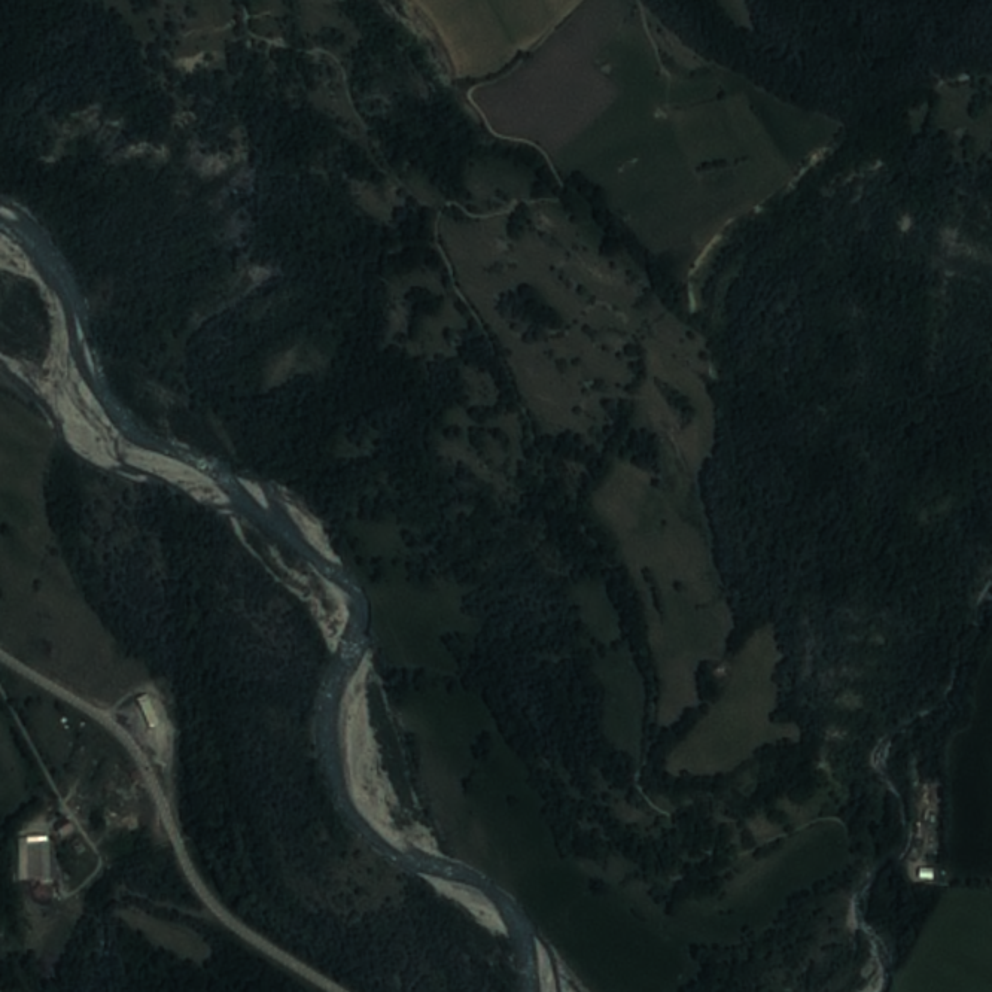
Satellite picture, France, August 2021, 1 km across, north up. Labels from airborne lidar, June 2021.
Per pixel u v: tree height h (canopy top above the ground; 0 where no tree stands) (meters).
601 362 0
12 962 12
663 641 0
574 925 0
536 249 0
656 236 0
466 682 14
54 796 8
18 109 8
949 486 10
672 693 0
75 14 10
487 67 0
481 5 0
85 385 0
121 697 0
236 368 7
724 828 9
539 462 8
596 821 7
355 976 9
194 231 7
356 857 6
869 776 9
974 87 9
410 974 9
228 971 13
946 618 14
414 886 8
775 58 15
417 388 15
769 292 9
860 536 16
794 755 11
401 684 14
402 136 11
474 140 11
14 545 0
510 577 11
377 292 12
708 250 0
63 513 8
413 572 7
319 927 14
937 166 16
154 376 8
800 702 12
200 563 15
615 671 0
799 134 0
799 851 0
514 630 9
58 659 0
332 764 0
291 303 6
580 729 16
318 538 0
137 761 0
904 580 18
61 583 0
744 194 0
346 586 0
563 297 0
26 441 0
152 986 17
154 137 10
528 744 14
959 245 7
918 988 0
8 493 0
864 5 14
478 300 0
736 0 0
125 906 8
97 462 0
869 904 8
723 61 13
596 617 0
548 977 0
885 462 8
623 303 0
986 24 21
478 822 0
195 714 21
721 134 0
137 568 9
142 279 8
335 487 14
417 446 16
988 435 19
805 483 14
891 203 10
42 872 0
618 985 0
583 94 0
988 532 17
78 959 13
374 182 11
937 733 11
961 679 16
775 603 18
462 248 0
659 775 11
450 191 11
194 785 16
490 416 6
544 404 0
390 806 0
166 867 6
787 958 8
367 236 8
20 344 0
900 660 9
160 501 8
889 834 12
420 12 0
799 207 8
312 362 0
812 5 18
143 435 0
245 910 17
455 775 0
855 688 6
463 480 12
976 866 0
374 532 0
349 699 0
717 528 15
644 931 0
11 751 0
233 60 9
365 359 15
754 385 9
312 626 10
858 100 16
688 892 13
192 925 11
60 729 0
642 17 0
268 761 6
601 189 11
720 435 9
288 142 8
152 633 12
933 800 0
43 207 7
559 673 10
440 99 7
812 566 12
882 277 12
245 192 7
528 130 0
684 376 0
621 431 11
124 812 0
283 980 13
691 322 9
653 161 0
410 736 7
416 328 12
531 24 0
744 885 0
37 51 9
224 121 9
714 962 17
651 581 10
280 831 7
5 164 10
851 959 10
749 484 13
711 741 0
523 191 0
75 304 0
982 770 0
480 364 16
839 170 10
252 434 7
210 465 0
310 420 17
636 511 0
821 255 7
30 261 0
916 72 18
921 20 19
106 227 8
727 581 11
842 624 7
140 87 11
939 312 12
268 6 0
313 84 9
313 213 8
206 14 0
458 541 7
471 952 8
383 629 0
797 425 9
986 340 11
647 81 0
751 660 0
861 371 8
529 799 0
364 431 17
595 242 0
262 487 0
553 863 0
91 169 10
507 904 0
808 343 11
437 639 0
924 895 12
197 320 0
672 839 9
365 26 9
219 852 11
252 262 11
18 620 0
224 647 7
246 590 6
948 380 11
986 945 0
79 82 11
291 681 9
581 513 11
